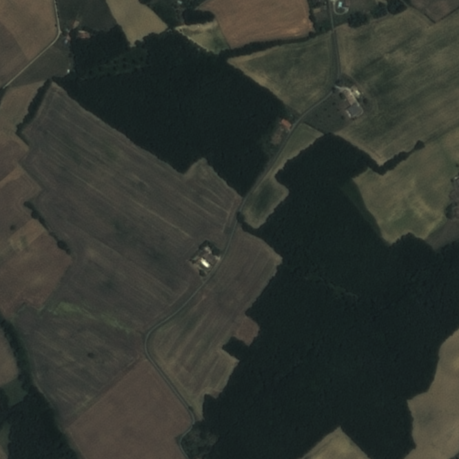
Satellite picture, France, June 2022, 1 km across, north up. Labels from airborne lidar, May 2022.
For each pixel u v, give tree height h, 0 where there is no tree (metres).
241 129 20
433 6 0
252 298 0
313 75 0
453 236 0
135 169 0
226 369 0
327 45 0
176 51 19
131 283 0
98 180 0
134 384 0
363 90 0
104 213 0
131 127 19
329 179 19
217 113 16
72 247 0
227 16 0
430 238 0
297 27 0
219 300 0
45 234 0
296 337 20
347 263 16
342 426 10
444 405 0
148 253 0
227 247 0
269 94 18
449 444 0
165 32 6
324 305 19
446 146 0
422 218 0
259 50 14
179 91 20
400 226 0
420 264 25
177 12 6
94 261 0
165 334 0
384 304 12
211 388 0
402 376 23
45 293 0
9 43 0
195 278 0
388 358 23
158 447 0
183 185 0
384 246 12
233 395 15
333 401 16
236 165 19
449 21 0
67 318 0
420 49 0
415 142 0
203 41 0
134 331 0
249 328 0
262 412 20
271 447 17
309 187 17
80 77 14
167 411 0
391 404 18
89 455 0
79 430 0
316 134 0
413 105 0
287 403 14
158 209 0
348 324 25
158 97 19
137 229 0
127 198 0
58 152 0
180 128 19
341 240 14
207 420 8
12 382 0
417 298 18
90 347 0
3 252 0
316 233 15
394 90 0
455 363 0
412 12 0
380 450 14
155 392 0
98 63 8
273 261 0
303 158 17
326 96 0
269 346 22
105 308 0
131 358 0
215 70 12
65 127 0
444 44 0
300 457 12
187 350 0
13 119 0
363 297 17
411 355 23
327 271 18
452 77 0
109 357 0
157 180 0
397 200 0
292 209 15
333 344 19
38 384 0
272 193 0
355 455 0
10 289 0
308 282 18
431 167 0
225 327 0
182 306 0
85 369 0
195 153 18
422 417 0
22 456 14
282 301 17
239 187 15
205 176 0
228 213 0
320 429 14
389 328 23
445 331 17
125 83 18
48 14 0
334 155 18
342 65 0
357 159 14
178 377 0
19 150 0
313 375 14
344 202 15
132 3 0
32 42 0
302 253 9
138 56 0
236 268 0
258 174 16
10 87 0
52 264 0
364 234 13
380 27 0
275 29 0
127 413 0
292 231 15
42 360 0
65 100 0
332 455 0
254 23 0
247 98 18
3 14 0
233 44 0
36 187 0
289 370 19
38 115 0
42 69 0
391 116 0
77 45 16
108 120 11
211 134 17
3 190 0
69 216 0
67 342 0
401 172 0
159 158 10
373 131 0
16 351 8
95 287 0
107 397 0
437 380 0
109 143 0
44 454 20
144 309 0
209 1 0
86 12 0
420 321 15
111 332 0
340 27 0
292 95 0
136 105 18
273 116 20
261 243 0
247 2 0
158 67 21
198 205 0
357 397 16
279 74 0
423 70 0
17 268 0
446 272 24
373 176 0
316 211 15
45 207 0
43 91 12
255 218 0
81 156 0
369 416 18
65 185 0
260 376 10
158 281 0
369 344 16
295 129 0
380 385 18
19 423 19
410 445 17
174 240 0
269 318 14
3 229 0
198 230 0
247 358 15
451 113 0
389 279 16
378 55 0
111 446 0
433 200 0
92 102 15
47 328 0
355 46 0
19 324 0
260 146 7
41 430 25
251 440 15
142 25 0
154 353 0
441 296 18
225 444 15
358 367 17
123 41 14
